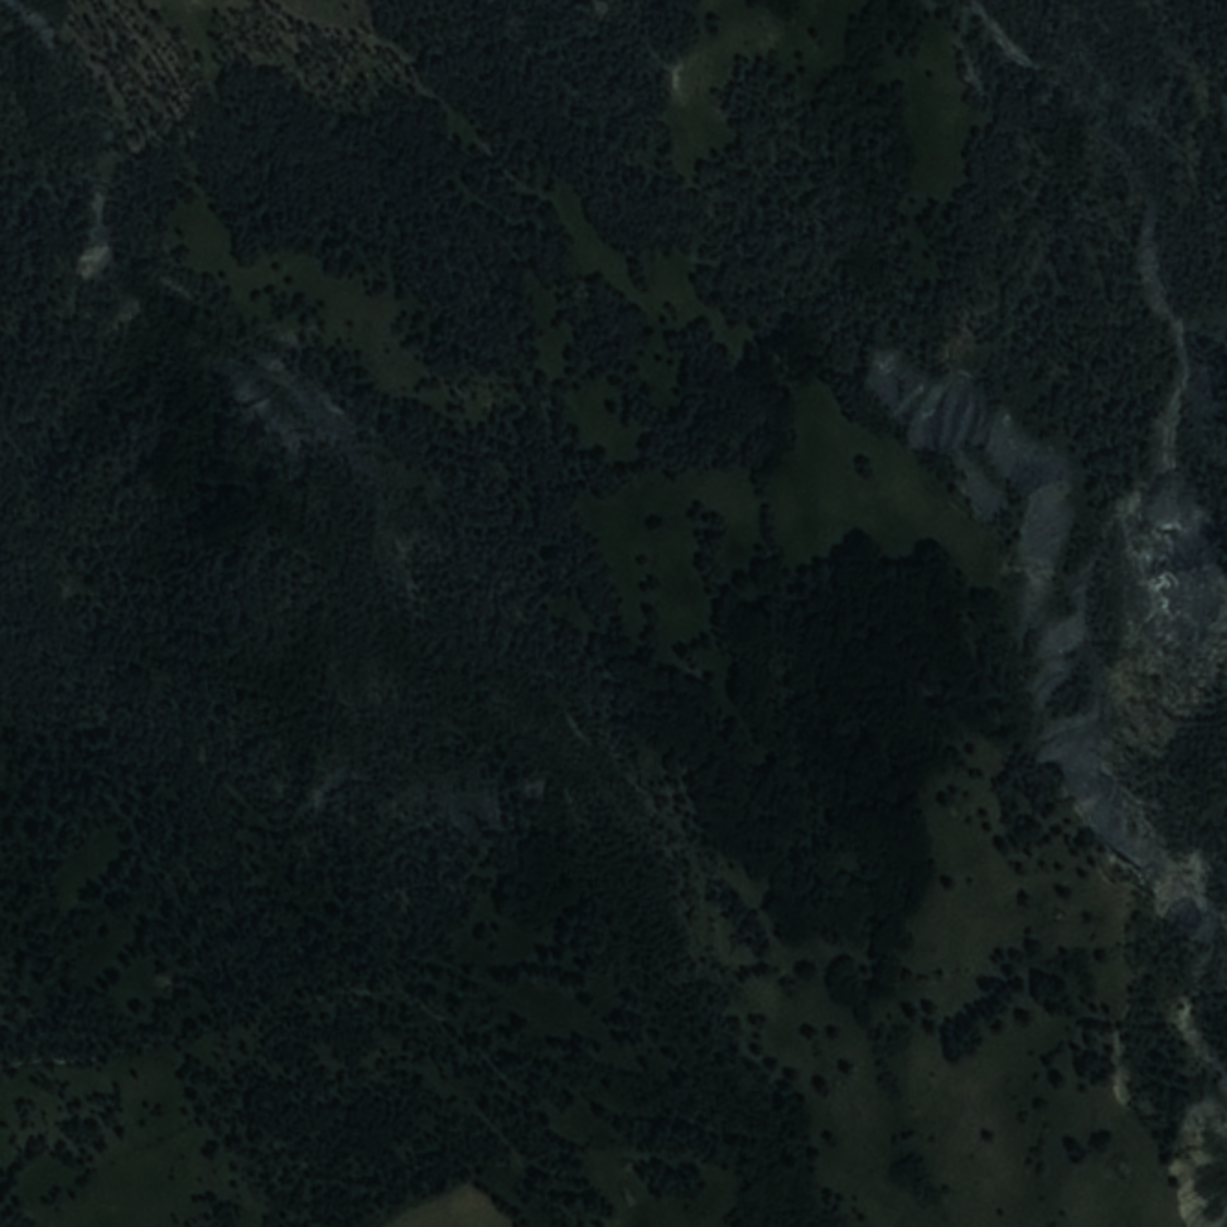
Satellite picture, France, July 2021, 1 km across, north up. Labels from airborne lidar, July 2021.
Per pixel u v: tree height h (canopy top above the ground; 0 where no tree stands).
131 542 11
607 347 17
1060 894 10
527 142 10
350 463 10
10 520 6
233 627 17
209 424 10
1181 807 8
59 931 8
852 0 0
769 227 10
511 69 11
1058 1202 0
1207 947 8
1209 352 7
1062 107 14
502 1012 9
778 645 15
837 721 29
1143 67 6
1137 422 11
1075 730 0
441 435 10
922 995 0
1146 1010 8
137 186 7
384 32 12
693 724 23
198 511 10
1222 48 10
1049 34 8
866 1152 0
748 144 14
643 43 7
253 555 13
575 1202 20
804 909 19
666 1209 0
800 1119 20
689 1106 15
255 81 14
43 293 16
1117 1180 0
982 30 15
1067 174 7
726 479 0
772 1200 8
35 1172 0
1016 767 14
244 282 0
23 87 9
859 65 9
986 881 0
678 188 12
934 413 0
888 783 24
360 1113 13
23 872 11
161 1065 0
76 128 7
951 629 21
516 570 13
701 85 0
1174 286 7
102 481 10
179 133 13
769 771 16
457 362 15
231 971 16
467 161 13
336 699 8
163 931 19
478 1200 0
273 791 9
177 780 14
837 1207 11
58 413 13
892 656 21
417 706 8
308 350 7
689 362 14
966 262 18
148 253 6
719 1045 7
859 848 15
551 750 6
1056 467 0
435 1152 9
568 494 20
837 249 17
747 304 14
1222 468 6
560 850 15
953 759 14
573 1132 0
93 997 13
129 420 20
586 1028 0
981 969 0
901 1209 0
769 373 22
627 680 18
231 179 11
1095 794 0
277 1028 12
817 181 15
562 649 9
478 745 17
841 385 18
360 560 11
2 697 12
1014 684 14
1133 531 0
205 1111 13
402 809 9
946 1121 0
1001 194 17
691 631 0
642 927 8
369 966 19
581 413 0
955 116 0
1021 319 9
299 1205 8
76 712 12
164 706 11
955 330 9
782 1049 0
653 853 7
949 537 0
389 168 15
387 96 16
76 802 12
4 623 14
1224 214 11
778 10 19
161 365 11
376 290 6
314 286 0
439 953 11
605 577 16
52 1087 10
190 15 0
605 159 13
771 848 24
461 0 10
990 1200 0
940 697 9
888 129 15
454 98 15
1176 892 0
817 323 11
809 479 0
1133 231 7
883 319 8
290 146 15
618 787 6
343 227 15
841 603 20
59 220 13
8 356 13
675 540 0
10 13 6
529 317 15
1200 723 8
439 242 16
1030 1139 0
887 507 0
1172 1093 8
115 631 18
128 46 12
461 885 12
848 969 14
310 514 6
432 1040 6
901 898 16
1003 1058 0
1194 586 0
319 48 12
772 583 17
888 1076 6
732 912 10
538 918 27
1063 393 14
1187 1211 0
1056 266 14
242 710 17
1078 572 15
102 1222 0
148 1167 0
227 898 19
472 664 9
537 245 17
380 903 13
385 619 9
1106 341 11
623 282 0
